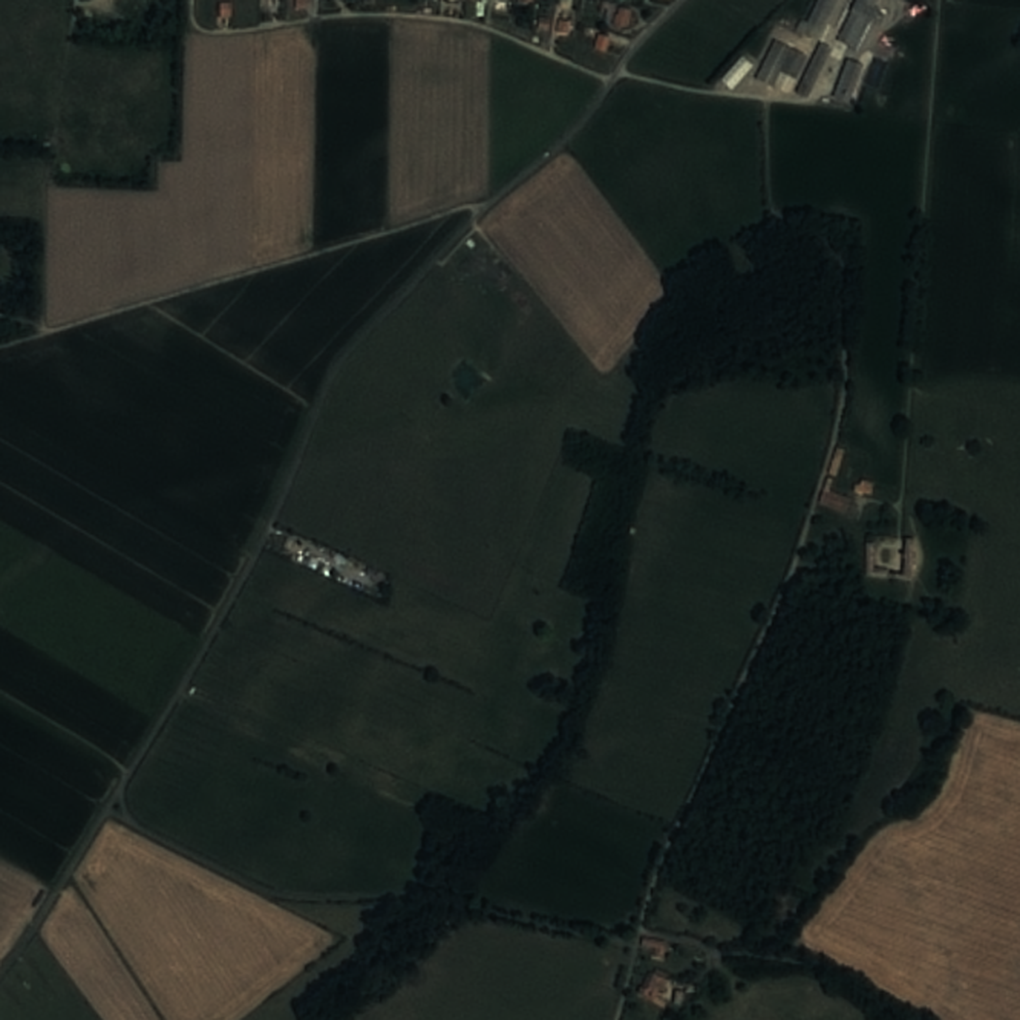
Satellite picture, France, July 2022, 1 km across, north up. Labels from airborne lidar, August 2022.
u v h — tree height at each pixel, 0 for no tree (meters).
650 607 0
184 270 0
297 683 0
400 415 0
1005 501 0
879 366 0
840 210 0
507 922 12
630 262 0
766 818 13
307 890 0
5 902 0
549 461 0
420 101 0
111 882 0
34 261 6
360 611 0
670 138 0
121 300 0
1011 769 0
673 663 0
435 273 0
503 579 0
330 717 0
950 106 0
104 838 0
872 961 0
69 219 0
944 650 0
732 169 0
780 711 18
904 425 17
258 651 0
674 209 0
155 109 0
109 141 0
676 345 20
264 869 0
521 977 0
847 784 17
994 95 0
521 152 0
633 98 0
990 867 0
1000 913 0
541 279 0
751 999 0
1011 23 0
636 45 0
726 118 0
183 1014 0
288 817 0
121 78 0
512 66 0
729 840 23
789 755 19
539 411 0
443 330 0
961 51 0
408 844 0
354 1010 19
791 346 9
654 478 0
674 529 0
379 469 0
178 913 0
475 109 0
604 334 0
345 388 0
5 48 0
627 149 0
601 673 7
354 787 0
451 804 14
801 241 17
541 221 0
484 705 0
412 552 0
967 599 0
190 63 0
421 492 0
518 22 7
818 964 11
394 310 0
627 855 0
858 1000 18
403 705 0
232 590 0
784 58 0
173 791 0
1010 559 0
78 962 0
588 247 0
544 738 0
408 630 0
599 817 0
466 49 0
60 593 0
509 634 0
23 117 0
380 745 0
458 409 0
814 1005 0
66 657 0
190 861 0
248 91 0
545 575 0
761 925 18
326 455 0
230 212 0
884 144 0
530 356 0
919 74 0
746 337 17
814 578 17
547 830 0
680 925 0
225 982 0
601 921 0
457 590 0
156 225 0
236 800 0
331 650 0
